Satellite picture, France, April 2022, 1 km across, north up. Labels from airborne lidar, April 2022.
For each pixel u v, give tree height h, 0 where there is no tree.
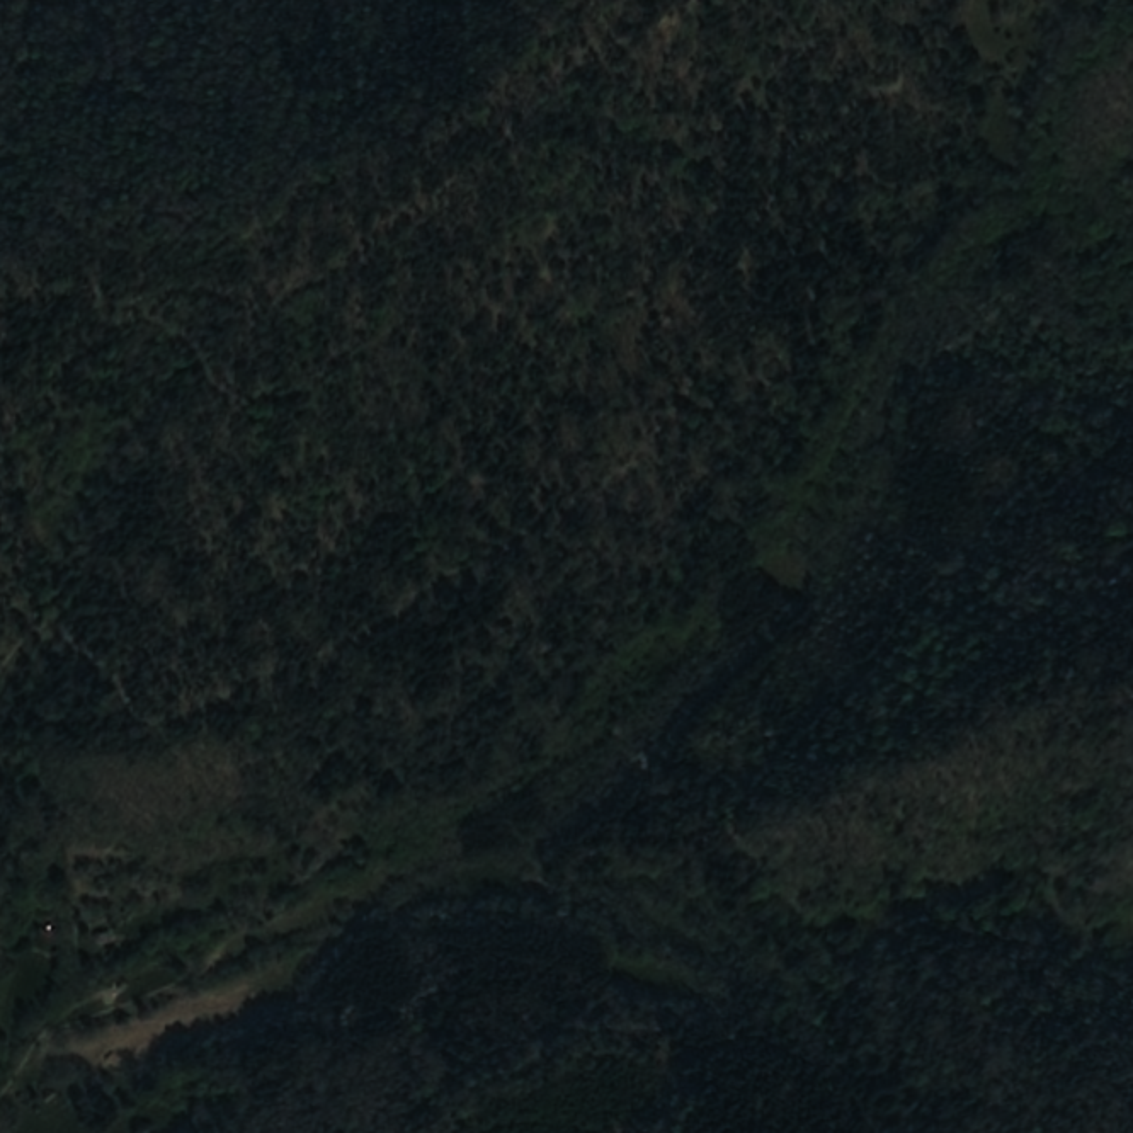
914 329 26
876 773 15
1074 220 22
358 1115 26
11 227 12
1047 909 20
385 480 20
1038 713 17
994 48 0
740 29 16
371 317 16
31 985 0
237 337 15
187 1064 24
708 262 30
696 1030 29
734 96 16
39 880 22
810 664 17
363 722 29
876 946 20
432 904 27
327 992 34
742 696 15
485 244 19
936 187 13
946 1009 22
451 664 23
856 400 15
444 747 28
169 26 28
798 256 25
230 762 28
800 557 26
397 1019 35
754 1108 32
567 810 30
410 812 20
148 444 20
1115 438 26
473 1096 25
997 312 24
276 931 0
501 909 27
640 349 13
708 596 26
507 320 16
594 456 25
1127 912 15
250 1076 30
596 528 28
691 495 6
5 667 7
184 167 35
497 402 11
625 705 15
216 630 18
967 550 25
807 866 17
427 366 12
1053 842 20
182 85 31
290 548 17
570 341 19
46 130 23
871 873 22
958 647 18
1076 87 23
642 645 17
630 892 31
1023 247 25
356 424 21
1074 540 32
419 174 19
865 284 6
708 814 22
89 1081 19
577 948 32
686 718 19
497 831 29
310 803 28
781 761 16
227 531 18
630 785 23
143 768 21
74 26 11
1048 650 23
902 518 16
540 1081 34
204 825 21
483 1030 18
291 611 22
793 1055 34
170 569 14
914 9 29
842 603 18
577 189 17
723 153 28
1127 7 13
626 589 28
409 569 31
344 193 26
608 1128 8
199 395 15
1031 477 25
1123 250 20
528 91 12
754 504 29
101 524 25
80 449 23
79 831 22
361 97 20
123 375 19
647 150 21
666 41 21
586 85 22
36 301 21
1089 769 21
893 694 17
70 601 29
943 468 21
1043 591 30
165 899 14
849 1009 20
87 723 25
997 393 23
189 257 18
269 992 0
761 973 31
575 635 9
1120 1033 17
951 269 25
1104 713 17
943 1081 25
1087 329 20
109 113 20
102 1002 0
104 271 20
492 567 29
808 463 16
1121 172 16
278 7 15
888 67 11
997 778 20
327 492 10
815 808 13
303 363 19
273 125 23
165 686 16
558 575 29
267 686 23
